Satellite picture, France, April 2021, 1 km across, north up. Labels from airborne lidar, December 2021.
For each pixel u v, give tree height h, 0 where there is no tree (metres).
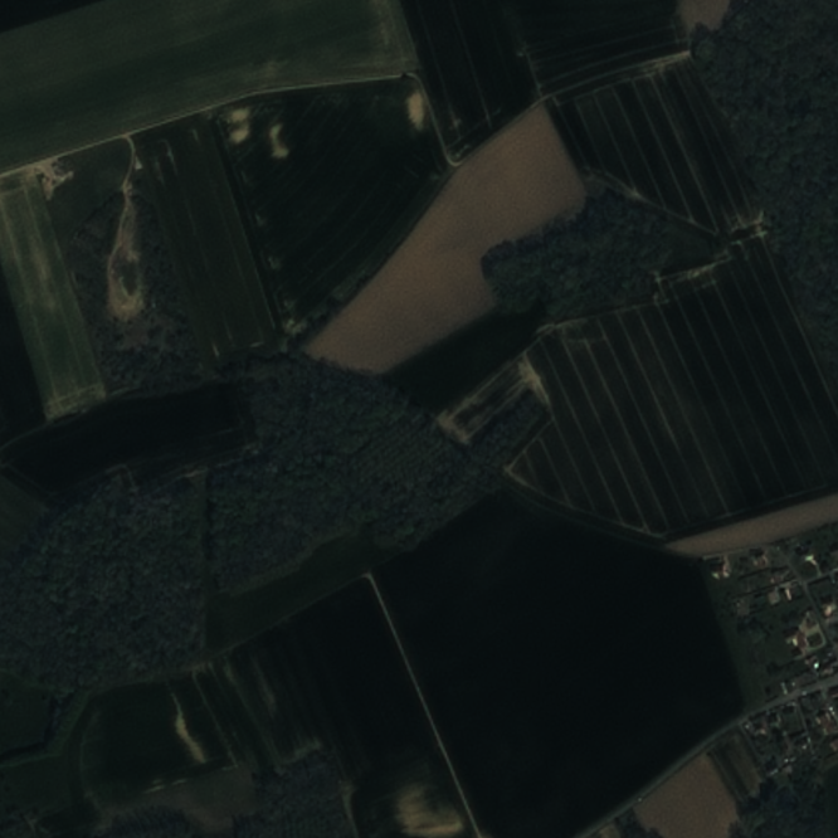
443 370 0
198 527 21
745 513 0
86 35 0
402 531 17
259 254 0
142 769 0
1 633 23
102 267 10
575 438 0
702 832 0
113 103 0
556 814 0
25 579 26
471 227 0
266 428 21
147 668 24
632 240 18
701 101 0
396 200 0
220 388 0
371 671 0
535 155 0
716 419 0
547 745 0
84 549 23
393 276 0
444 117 0
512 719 0
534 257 21
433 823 0
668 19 0
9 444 0
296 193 0
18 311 0
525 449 0
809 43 14
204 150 0
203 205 0
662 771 0
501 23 0
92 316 8
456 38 0
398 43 0
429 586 0
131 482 0
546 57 0
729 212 0
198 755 0
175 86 0
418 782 0
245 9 0
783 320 0
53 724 13
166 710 0
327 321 10
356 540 0
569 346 0
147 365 9
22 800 0
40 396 0
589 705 0
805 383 0
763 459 0
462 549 0
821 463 0
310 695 0
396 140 0
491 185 0
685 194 0
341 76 0
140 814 0
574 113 0
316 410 23
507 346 0
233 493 22
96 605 22
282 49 0
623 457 0
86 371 0
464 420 0
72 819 0
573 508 0
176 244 0
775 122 24
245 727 0
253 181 0
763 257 0
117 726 0
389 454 25
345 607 0
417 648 0
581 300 21
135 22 0
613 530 0
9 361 0
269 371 0
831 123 15
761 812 24
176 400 0
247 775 0
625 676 0
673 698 0
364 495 27
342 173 0
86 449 0
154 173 0
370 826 0
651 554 0
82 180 0
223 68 0
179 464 0
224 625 0
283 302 0
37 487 0
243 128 0
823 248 19
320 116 0
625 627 0
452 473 9
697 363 0
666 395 0
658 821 0
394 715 0
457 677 0
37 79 0
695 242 0
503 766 0
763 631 19
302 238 0
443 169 0
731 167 0
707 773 0
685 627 0
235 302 0
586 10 0
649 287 14
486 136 0
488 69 0
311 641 0
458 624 0
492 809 0
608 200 12
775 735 8
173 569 20
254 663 0
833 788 0
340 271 0
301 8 0
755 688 0
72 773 0
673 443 0
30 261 0
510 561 0
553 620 0
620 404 0
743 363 0
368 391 21
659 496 0
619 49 0
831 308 19
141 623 18
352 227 0
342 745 0
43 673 10
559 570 0
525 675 0
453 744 0
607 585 0
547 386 0
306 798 22
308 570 0
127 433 0
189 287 0
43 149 0
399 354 0
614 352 0
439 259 0
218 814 0
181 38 0
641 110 0
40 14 0
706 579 0
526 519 0
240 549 27
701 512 0
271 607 0
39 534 15
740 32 21
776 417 0
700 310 0
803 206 21
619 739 0
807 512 0
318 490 29
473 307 0
